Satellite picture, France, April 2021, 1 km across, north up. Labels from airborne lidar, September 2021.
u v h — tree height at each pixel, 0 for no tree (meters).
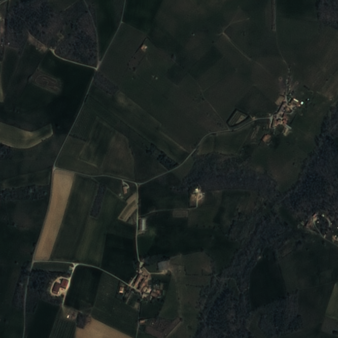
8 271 0
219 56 0
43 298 7
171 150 0
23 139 0
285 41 0
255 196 0
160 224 0
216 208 0
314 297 0
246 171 9
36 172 0
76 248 0
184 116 0
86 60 10
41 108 0
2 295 0
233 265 12
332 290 0
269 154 0
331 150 14
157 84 0
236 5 0
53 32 8
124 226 0
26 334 0
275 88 0
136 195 0
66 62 0
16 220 0
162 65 0
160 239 0
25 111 0
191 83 0
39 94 0
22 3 11
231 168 9
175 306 0
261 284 0
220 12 0
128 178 0
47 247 0
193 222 0
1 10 0
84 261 0
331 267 0
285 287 0
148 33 0
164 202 0
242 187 9
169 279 0
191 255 0
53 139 0
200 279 0
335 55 0
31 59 0
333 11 11
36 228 0
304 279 0
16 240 0
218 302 9
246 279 10
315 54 0
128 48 0
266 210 0
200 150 0
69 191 0
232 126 6
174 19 0
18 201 0
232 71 0
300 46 0
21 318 0
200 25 0
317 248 0
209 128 0
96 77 9
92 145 0
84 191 0
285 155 0
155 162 0
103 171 0
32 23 12
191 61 0
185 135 0
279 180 0
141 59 0
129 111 0
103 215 0
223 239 0
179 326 0
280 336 7
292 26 0
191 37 0
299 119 0
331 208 13
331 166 17
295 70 0
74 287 0
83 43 12
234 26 0
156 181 0
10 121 0
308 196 14
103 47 0
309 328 0
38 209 0
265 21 0
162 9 0
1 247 0
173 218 0
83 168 0
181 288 0
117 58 0
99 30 0
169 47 0
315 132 0
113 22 0
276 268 0
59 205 0
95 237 0
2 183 0
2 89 0
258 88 0
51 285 0
